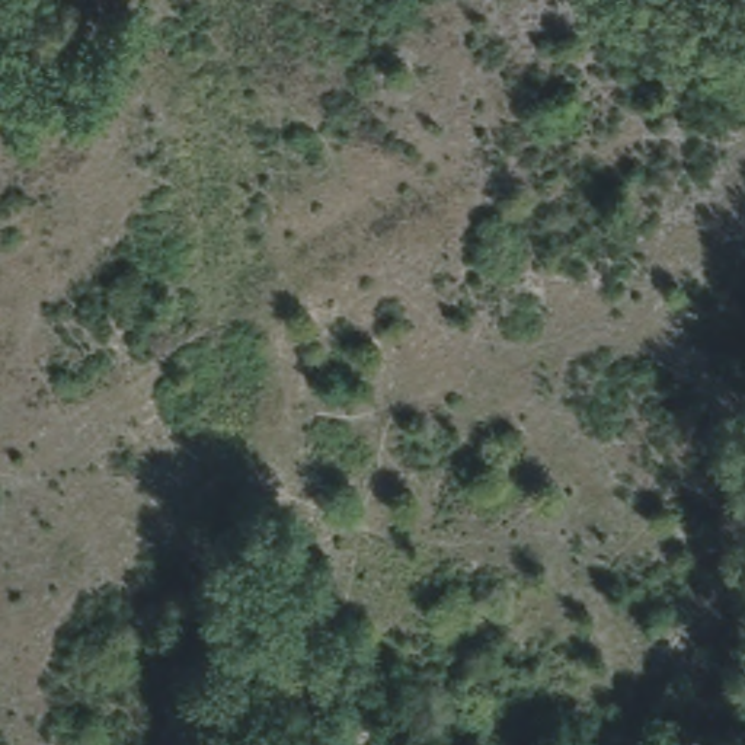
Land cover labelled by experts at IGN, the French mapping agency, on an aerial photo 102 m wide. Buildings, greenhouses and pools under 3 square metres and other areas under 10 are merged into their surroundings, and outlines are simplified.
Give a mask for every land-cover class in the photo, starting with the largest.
<instances>
[{"label":"herbaceous vegetation","instance_id":"1","mask_svg":"<svg viewBox=\"0 0 745 745\"><path fill-rule=\"evenodd\" d=\"M131 15H148V20L154 23L175 15L169 0H128ZM582 15V6H570L567 0H437L431 6H422V17L434 20V32L410 29L405 32L399 52L390 44L370 47L349 67H343L340 58H329L326 67H311L300 61V70L288 79V90L282 96H276L274 87L262 84L253 99H244V87H250L253 76H204L198 81L189 79V70H198L201 61H227L233 55L227 26L207 29L212 49H189L178 58H169V47H154L143 49L140 64L134 70V87L122 96L125 108L111 125L108 137H102L96 146L76 148L70 143L49 140L41 151L38 166H20L0 143V195L6 186H20L26 195L49 192L52 201L49 210L20 207L9 215H0V745H41L38 730L47 713V696L38 687V678L49 666L55 632L70 617L76 597L81 591H93L102 585L119 588L125 570L134 567L137 550L154 562L151 570L157 576H186L198 570L207 559V538L215 530L218 506L236 489H247L250 483H268L271 477H276V501L291 506L297 518L308 524V530L317 538V547L329 559V567L335 573L332 579L338 582L340 597L346 602L364 605L370 620L367 637L378 643L375 664L381 669L396 666L399 655L381 643L390 629L410 634H434L437 643L451 646L460 634H471L480 623H498L515 640L518 652L535 655L538 661L533 672L521 675V687L533 693L541 690L576 698L579 722L602 728L617 716L614 704H597L594 690L611 687L617 672L643 669V655L652 646L640 637V626H649L661 614L658 597L634 602L629 614L608 605L617 591L637 588V582L626 573L632 556L658 562L664 556V541L652 535L649 521L643 515L634 512L637 492L655 486V474L643 471L637 463H629V454L637 451L646 439L649 422L640 410H632V428L626 437L597 439L585 434L576 422V413L562 405L567 399V364L576 355H585L597 346H611L617 358L637 355L643 340H658L664 332L678 335L681 320L704 317L713 308L728 311L725 303H716L725 297V291H719L707 279L704 256L722 242H745V128L728 131V137L716 140V166L704 189L693 180L690 172H666V186L640 183V198L658 195L661 218L652 233L637 236V250H643L646 256L632 262V271L623 276L620 297H602V279L597 271H588L585 279H570L565 274L524 271L515 279V285L480 279L477 285H469L466 265L477 262L480 227L498 218L503 207H509V201L518 195V178L509 175V169L492 175L480 163L474 151V125L486 128L512 122L515 113L538 116L570 102L576 90L570 81L541 73L530 61L533 52L544 44L570 47L576 35L570 23ZM474 35L503 38L512 61L527 64L518 84L509 93L503 90L501 73L483 70L477 61H471L466 44ZM405 64H422L428 67V76L419 79L413 90L402 93L399 87H387L373 90L370 99L375 96L387 105H396V125L390 131L419 148L410 160H405L402 154H387L373 143H346L340 151H335V137L323 131H314L320 143L317 154H297L285 143L291 137L308 134L311 125H320V111L340 113L346 105L358 99L355 90H340L343 81L358 84V79L370 76L373 70L399 73ZM154 186H166V195L148 201L151 212L178 207L186 215L192 242V250L186 256L192 262L178 285L195 291L198 314L221 320L224 326L230 320H250L268 338V343L262 346V355L268 358V373L259 393V422L256 434L247 442L242 437L204 431L172 434L154 405V381L160 375V367L151 361H134L128 355L122 329H113L108 338L111 370L119 375L116 387L96 390L90 399H64L55 393V384L47 375L49 352L58 343V335L41 314V303L64 297L70 282L90 279L96 274V259L108 247L122 242L128 218L140 212L143 195ZM311 419L349 422L358 434H364L367 445L373 448V457L364 466H355L349 474L338 471L329 463H308L311 448L306 445L303 425ZM434 422L442 434L457 431V439L463 442V448L451 454L448 474L413 471L393 451L396 428L413 425L422 431ZM515 431L524 439L521 463L512 466V483L518 495L506 512L483 515L469 506L474 489H480L483 474L489 471V466L483 463V445L506 439ZM544 489L565 495V512L553 521H538L533 515L530 498L541 495ZM340 492L370 498L364 530L338 533L329 527L323 506H332ZM410 501L416 503L413 527L407 533L390 527L387 506ZM573 151L582 157L585 166V183L576 186L594 210H605L608 215L626 198V183L634 172V160L623 157L626 146L684 143V128L678 122L661 131H649L643 125V116L634 108H629L620 116L617 134H594L585 125L573 137Z\"/></svg>","mask_w":745,"mask_h":745},{"label":"brushwood","instance_id":"2","mask_svg":"<svg viewBox=\"0 0 745 745\"><path fill-rule=\"evenodd\" d=\"M437 0H169L175 15L154 23V47H169V58H178L189 49H212L207 29L227 26L233 55L227 61H201L198 70H189V79L198 81L204 76H253L250 87H244V99H253L262 84L274 87L276 96H282L288 90V79L300 70V61L311 67H326L329 58H340L343 67H349L370 47L390 44L399 52L405 32L410 29L434 32V20L422 17V6H431ZM576 35L570 47L544 44L533 52L530 61L541 73L570 81L576 90L570 102L538 116L515 113L512 122L486 128L474 125V151L480 163L492 175L509 169V175L518 178V195L509 201V207H503L498 218L480 227L477 262L466 265L469 285H477L480 279L515 285V279L524 271L565 274L570 279H585L588 271H597L602 279V297H620L623 276L632 271V262L646 256L643 250H637V236L652 233L661 218L658 195L640 198V183L666 186V172H690L693 180L704 189L716 166V140L728 137V131L745 128V49L736 58H707L701 64V73H690L681 67L655 70L652 64H643L640 58L629 55L623 47L605 44V35L594 32L582 15L570 23ZM629 108H634L643 116V125L649 131H661L678 122L684 128V143L626 146L623 157L634 160V172L626 183V198L608 215L605 210H594L576 186L585 183V166L582 157L573 151V137L585 125L594 134H617L620 116ZM471 61H477L483 70L501 73L503 90L509 93L518 84L527 64L512 61L503 38L474 35L466 44ZM428 76V67L422 64H405L399 73L373 70L370 76L358 79V84L343 81L340 90H355L358 99L346 105L340 113L320 111V125H311L308 134L291 137L285 143L297 154H317L320 143L314 131H323L335 137V151H340L346 143H373L387 154H402L405 160H410L419 148L390 131L396 125V105H387L375 96L370 99L373 90L387 87H399L402 93L413 90L419 79ZM20 207L49 210L52 201L49 192L26 195L20 186H6L0 195V215H9ZM166 195V186H154L143 195L140 212L128 218L122 242L108 247L96 259V274L90 279L70 282L64 297L41 303V314L58 335V343L49 352L47 375L55 384V393L64 399H90L96 390L116 387L119 375L111 370L108 338L113 329H122L128 355L134 361H151L160 367V375L154 381V405L172 434L204 431L242 437L247 442L256 434L259 422V393L268 373V358L262 355V346L268 343V338L250 320H230L224 326L221 320L198 314L195 291L178 285L192 262L186 256L192 250V242L186 215L178 207L151 212L148 201ZM707 279L719 291H725V297L716 303H725L728 311L713 308L704 317L681 320L678 335L664 332L658 340H643L637 355L617 358L611 346H597L585 355H576L567 364V399L562 405L576 413V422L585 434L597 439L626 437L632 428V410H640L649 422L646 439L637 451L629 454V463H637L643 471L655 474V486L637 492L634 512L643 515L649 521L652 535L664 541V556L658 562L632 556L626 573L637 582V588L617 591L608 605L629 614L634 602L658 597L661 614L649 626H640V637L652 646L643 655V669L617 672L611 687L594 690L597 704H614L620 701V696H634L643 704L652 696V687L675 666L696 672L707 664L716 666L719 655L725 652V626L730 608L725 585L722 524L728 515V501L722 498L713 460H719L722 451L730 445L728 428L719 422L725 390L733 381L745 378V242H722L704 256ZM306 445L311 448L308 463H329L338 471L349 474L355 466H364L373 457V448L367 445L364 434H358L349 422L311 419L303 425ZM463 448V442L457 439V431L442 434L434 422L422 431L413 425L396 428L393 451L413 471L448 474L451 454ZM524 439L515 431L506 439L483 445V463L489 466V471L483 474L480 489H474L469 506L483 515L506 512L518 495L512 483V466L521 463ZM533 515L538 521H553L565 512V495L544 489L541 495L530 498ZM370 498L340 492L332 506H323L329 527L338 533L364 530ZM416 503L410 501L387 506L390 527L407 533L413 527ZM154 562L137 550L134 567L125 570L119 588L102 585L93 591H81L76 597L70 617L55 632L49 666L38 678V687L47 696V713L38 730L41 745H195L198 725L183 719L210 693V646L201 634V629L207 626L201 620V597L207 579L198 570L186 576H157L151 570ZM381 643L399 655L396 666L381 669L375 664V681L361 687L355 696V713L364 725L358 745H556L562 728L570 730L579 722L576 698L541 690L533 693L521 687V675L533 672L538 661L535 655L518 652L515 640L498 623H480L471 634H460L451 646L437 643L434 634H410L390 629Z\"/></svg>","mask_w":745,"mask_h":745},{"label":"deciduous trees","instance_id":"3","mask_svg":"<svg viewBox=\"0 0 745 745\"><path fill-rule=\"evenodd\" d=\"M154 23L148 20V15H131L128 0H0V143L20 166H38L41 151L49 140L70 143L76 148L96 146L102 137H108L111 125L125 108L122 96L134 87V70L140 64L143 49L154 47ZM570 6H582V15L594 32L605 35V44L623 47L629 55L640 58L643 64H652L655 70L681 67L690 73H701V64L707 58H736L745 49V0H567ZM745 652V605L736 602L730 608L725 626V652L719 655L716 666L707 664L696 672L675 666L652 687V696L643 704L634 696H620V701L614 704L617 716L602 728L579 722L570 730L562 728L556 745H745V722L736 716V707L728 696L739 684V655ZM291 728L308 733L306 742L297 745H358L364 725L355 713V696H343V701L332 698L326 707L317 704L314 713L297 716Z\"/></svg>","mask_w":745,"mask_h":745},{"label":"coniferous trees","instance_id":"4","mask_svg":"<svg viewBox=\"0 0 745 745\"><path fill-rule=\"evenodd\" d=\"M719 422L728 428L730 445L722 451L719 460H713L722 498L728 501V515L722 524L725 585L730 608L736 602L745 605V378L733 381L725 390ZM198 570L207 579L201 597V620L207 626L201 629V634L210 646V693L183 719L198 725L195 745H297L306 742L308 733L291 728L297 716L314 713L317 704L326 707L332 698L343 701V696H355L361 687L375 681V664L378 643L367 637L370 620L364 605L346 602L340 597L338 582L332 579L335 573L329 567V559L317 547V538L308 530V524L297 518L291 506L276 501V477H271L268 483H250L247 489H236L218 506L215 530L207 538V559ZM739 684L728 696L736 707V716L745 722V652L739 655Z\"/></svg>","mask_w":745,"mask_h":745}]
</instances>
